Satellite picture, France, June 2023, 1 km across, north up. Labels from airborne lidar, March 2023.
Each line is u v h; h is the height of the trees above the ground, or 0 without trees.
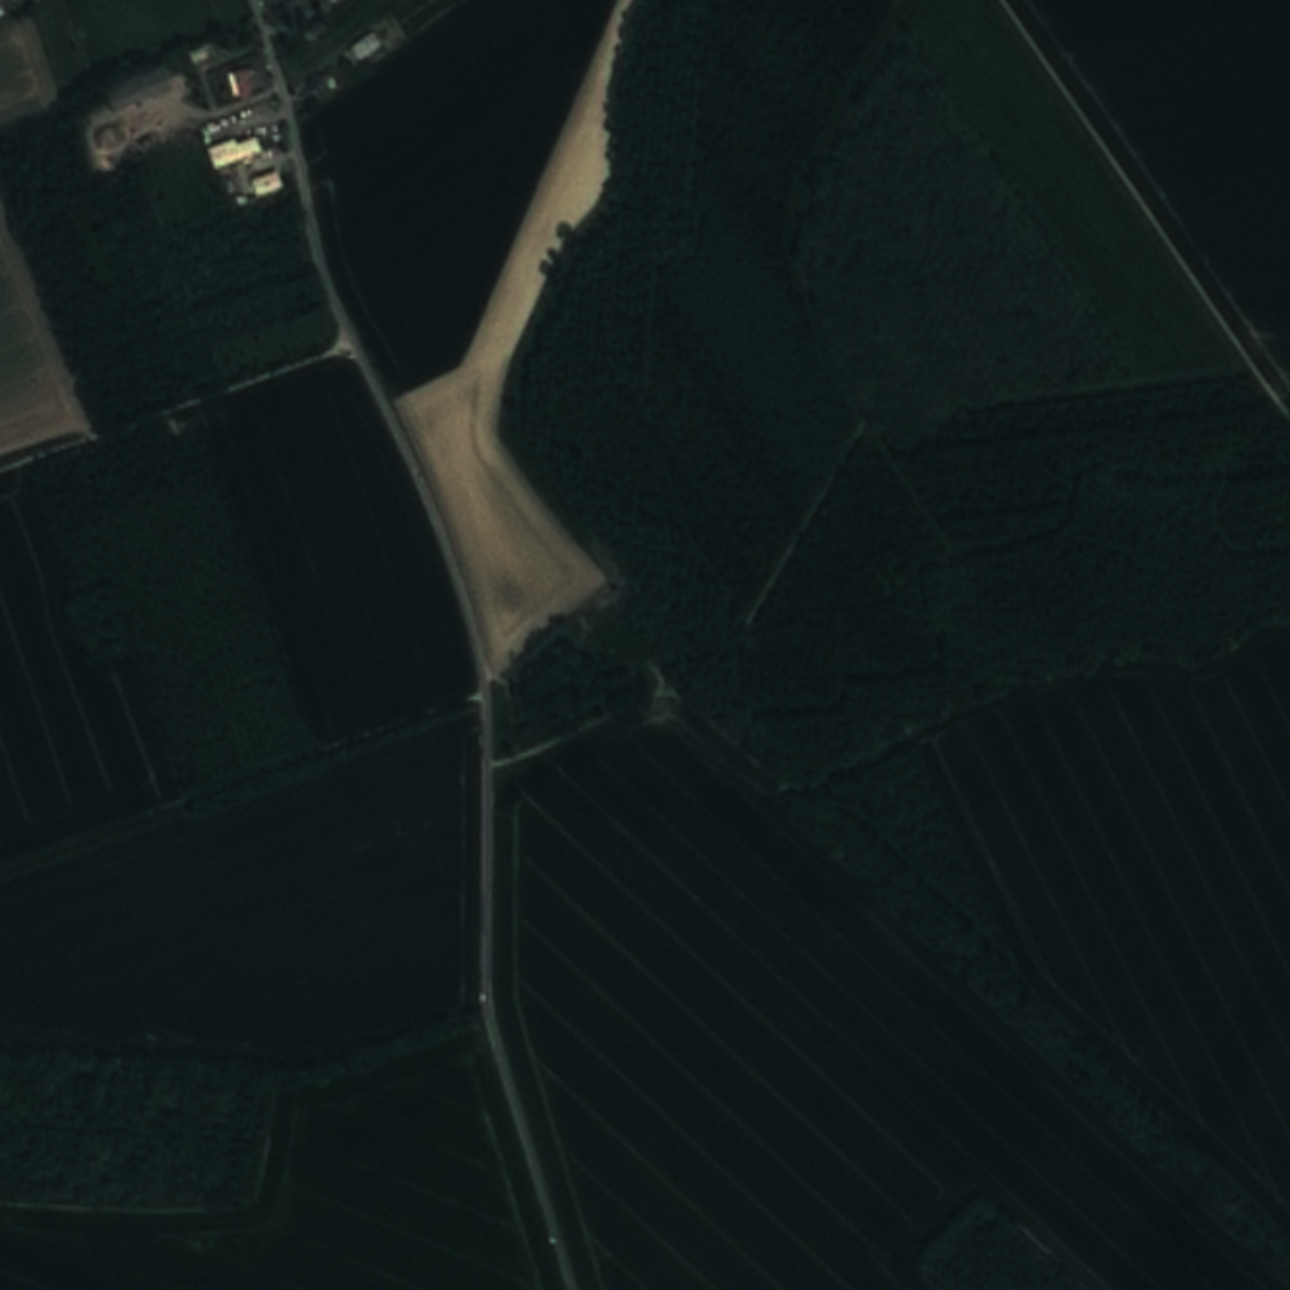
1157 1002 0
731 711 13
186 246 9
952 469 7
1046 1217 0
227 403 0
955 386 17
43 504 8
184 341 10
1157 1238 0
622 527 18
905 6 0
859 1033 0
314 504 0
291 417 0
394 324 0
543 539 0
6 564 0
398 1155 0
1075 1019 0
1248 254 0
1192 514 11
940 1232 10
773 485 13
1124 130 0
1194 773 0
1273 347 0
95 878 0
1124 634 12
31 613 0
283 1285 0
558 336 13
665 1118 0
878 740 12
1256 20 0
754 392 9
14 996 0
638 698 14
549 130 0
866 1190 0
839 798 8
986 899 13
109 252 6
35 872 0
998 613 12
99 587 8
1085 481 10
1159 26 0
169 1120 11
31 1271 0
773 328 9
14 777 0
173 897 0
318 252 0
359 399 0
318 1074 12
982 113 0
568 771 0
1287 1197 0
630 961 0
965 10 0
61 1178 16
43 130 15
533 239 0
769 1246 0
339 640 0
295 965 0
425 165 0
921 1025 0
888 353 16
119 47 0
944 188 16
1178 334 0
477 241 0
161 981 0
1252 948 0
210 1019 0
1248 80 0
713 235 9
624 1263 0
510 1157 0
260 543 0
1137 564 10
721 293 10
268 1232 0
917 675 12
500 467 0
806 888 0
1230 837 0
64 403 0
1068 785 0
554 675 16
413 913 0
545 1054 0
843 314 16
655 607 16
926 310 19
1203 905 0
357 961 0
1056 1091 0
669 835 0
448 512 0
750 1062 0
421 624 0
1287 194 0
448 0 0
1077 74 0
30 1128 11
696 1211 0
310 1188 0
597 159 0
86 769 0
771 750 13
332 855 0
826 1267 0
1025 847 0
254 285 15
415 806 0
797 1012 0
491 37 0
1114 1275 0
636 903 0
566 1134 0
